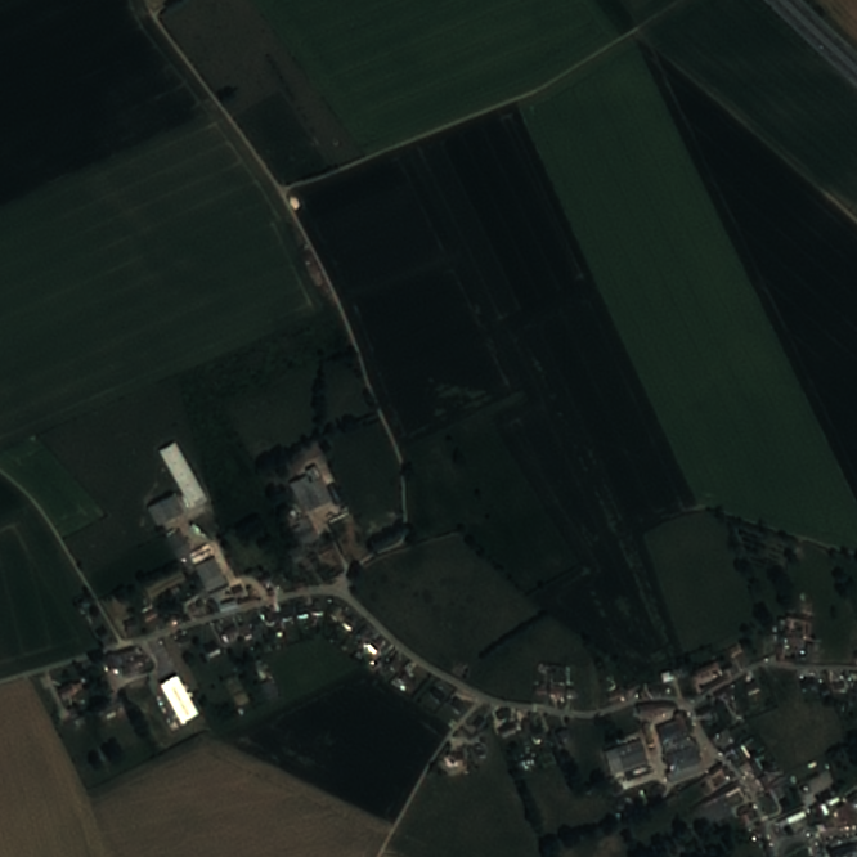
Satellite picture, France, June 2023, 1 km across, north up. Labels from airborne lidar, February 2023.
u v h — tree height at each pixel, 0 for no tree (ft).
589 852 0
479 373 0
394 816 0
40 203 0
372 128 0
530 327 0
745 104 0
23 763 0
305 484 0
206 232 0
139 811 0
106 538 0
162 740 0
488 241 0
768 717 0
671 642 0
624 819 55
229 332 0
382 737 0
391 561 0
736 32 0
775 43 0
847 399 0
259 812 0
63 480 0
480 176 0
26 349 0
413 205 0
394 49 0
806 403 0
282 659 0
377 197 0
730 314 0
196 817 0
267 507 0
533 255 0
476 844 0
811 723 0
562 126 0
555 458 0
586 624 0
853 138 0
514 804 0
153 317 0
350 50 0
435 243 0
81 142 0
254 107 0
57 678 0
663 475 0
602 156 0
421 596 0
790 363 0
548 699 0
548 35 0
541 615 27
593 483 0
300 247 0
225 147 0
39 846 0
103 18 0
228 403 0
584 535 0
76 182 0
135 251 0
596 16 0
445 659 0
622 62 0
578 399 0
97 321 0
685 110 0
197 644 32
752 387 0
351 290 0
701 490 0
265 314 0
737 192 0
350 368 24
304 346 0
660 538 0
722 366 0
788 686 0
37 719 0
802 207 0
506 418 0
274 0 0
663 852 53
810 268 0
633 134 0
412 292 0
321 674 0
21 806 0
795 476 0
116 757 71
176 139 0
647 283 0
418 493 0
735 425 0
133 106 0
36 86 0
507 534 0
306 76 0
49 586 0
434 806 0
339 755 0
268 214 0
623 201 0
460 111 0
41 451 0
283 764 0
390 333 0
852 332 0
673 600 0
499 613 0
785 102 0
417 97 0
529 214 0
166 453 0
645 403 0
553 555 0
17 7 0
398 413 0
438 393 0
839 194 0
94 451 0
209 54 0
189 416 0
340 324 0
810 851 0
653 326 0
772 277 0
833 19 0
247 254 0
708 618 0
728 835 53
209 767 0
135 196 0
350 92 0
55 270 0
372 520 0
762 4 18
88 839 0
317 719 0
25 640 0
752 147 0
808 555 0
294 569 0
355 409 0
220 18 0
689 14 0
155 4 0
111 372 0
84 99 0
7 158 0
